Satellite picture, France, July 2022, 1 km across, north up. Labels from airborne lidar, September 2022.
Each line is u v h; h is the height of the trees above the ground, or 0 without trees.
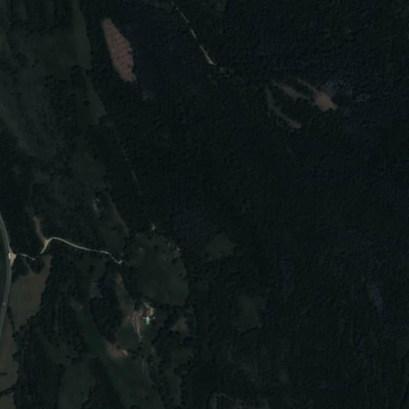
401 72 21
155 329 0
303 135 13
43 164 7
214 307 16
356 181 26
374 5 11
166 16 19
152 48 18
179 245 11
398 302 10
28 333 7
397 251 24
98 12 14
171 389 14
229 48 15
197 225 23
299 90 25
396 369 14
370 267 17
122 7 16
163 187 18
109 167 6
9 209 17
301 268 20
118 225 0
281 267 24
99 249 17
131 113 10
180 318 19
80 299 15
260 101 13
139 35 21
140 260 0
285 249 21
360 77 17
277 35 18
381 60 22
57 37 0
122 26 16
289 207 13
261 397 13
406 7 8
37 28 7
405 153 7
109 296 25
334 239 14
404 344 0
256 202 21
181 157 6
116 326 13
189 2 20
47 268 0
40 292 0
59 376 19
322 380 14
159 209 18
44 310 16
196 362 21
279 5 23
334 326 14
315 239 23
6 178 8
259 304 0
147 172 12
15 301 0
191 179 18
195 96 11
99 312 27
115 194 18
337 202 18
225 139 10
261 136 17
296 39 15
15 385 8
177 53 20
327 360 12
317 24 21
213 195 11
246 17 18
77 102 17
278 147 19
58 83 10
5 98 0
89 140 17
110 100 16
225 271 25
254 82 12
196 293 25
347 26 16
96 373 7
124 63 0
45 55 0
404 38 10
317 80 22
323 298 16
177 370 11
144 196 7
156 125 19
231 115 14
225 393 13
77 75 18
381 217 13
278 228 23
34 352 7
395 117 16
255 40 11
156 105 11
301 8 20
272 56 18
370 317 8
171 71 16
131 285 18
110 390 9
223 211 9
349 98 35
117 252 0
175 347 20
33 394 18
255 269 25
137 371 0
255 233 10
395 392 15
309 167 15
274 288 21
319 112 15
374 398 14
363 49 18
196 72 22
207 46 8
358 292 14
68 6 14
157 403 0
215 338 17
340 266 22
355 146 16
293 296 13
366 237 21
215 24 19
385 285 19
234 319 7
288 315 5
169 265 0
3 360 0
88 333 0
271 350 6
